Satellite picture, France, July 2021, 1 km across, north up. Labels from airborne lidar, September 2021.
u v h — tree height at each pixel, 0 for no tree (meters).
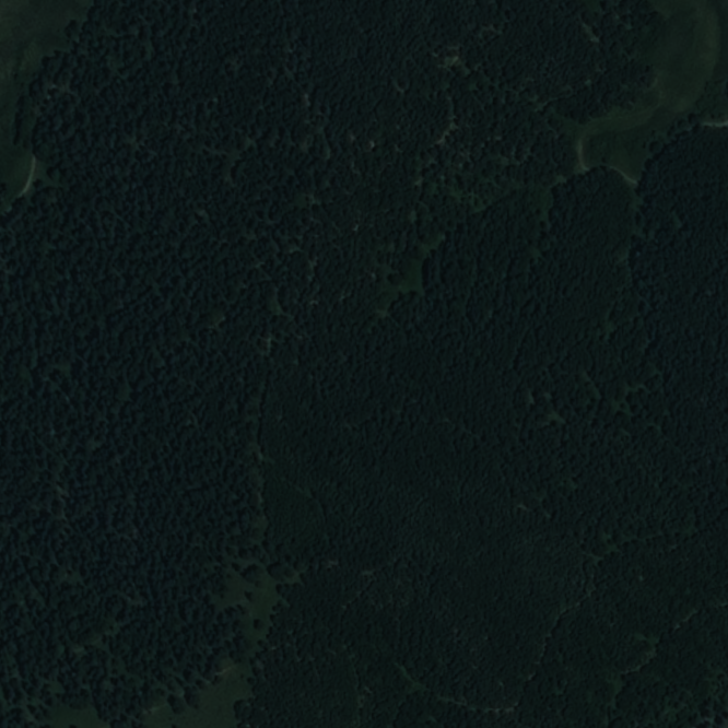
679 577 17
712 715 29
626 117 0
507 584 18
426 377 27
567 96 9
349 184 21
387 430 23
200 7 14
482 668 12
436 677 16
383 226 21
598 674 15
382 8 20
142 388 23
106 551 29
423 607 17
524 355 20
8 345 34
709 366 22
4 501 28
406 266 22
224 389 17
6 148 0
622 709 19
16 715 15
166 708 0
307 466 20
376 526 19
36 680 27
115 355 19
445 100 22
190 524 19
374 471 24
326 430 22
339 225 21
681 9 0
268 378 8
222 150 23
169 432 18
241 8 13
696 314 20
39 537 17
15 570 18
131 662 12
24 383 26
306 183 25
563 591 13
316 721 15
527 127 24
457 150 27
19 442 19
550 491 25
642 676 13
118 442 26
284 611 17
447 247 18
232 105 18
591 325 24
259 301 18
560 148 20
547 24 25
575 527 24
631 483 17
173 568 28
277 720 15
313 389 21
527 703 15
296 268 21
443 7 25
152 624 14
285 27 18
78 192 21
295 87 20
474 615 19
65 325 25
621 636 11
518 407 18
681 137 20
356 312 20
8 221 16
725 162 21
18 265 25
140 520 14
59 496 27
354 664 8
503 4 26
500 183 21
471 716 15
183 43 12
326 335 24
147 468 25
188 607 26
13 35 0
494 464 26
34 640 18
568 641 23
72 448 22
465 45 16
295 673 14
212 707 0
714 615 17
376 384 22
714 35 0
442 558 21
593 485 24
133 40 16
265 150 16
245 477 29
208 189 26
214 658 20
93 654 15
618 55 20
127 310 13
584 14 19
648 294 22
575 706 21
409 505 23
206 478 17
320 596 14
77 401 17
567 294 27
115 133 16
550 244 20
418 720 20
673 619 18
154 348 19
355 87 26
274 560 9
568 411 21
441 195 18
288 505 11
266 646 19
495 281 15
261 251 18
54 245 13
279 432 14
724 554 17
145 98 19
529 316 24
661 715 24
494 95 24
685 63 0
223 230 18
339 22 26
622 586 18
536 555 20
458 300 23
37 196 12
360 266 18
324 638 18
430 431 23
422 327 23
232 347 24
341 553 22
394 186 19
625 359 20
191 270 26
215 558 11
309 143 7
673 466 20
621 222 23
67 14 0
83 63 25
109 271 23
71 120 16
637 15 17
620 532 22
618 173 18
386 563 22
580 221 19
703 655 19
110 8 16
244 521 27
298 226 20
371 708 13
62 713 0
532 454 23
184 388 18
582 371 21
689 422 19
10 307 34
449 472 26
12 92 0
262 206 19
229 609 0
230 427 10
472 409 19
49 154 17
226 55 11
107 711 17
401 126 13
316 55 26
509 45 18
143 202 22
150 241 17
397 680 16
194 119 11
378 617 13
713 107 9
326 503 20
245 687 0
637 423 23
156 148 18
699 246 20
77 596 11
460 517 22
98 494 32
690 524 12
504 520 21
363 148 28
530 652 19
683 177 24
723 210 22
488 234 20
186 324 8
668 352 18
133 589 28
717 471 26
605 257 19
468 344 21
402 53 16
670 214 16
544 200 7
